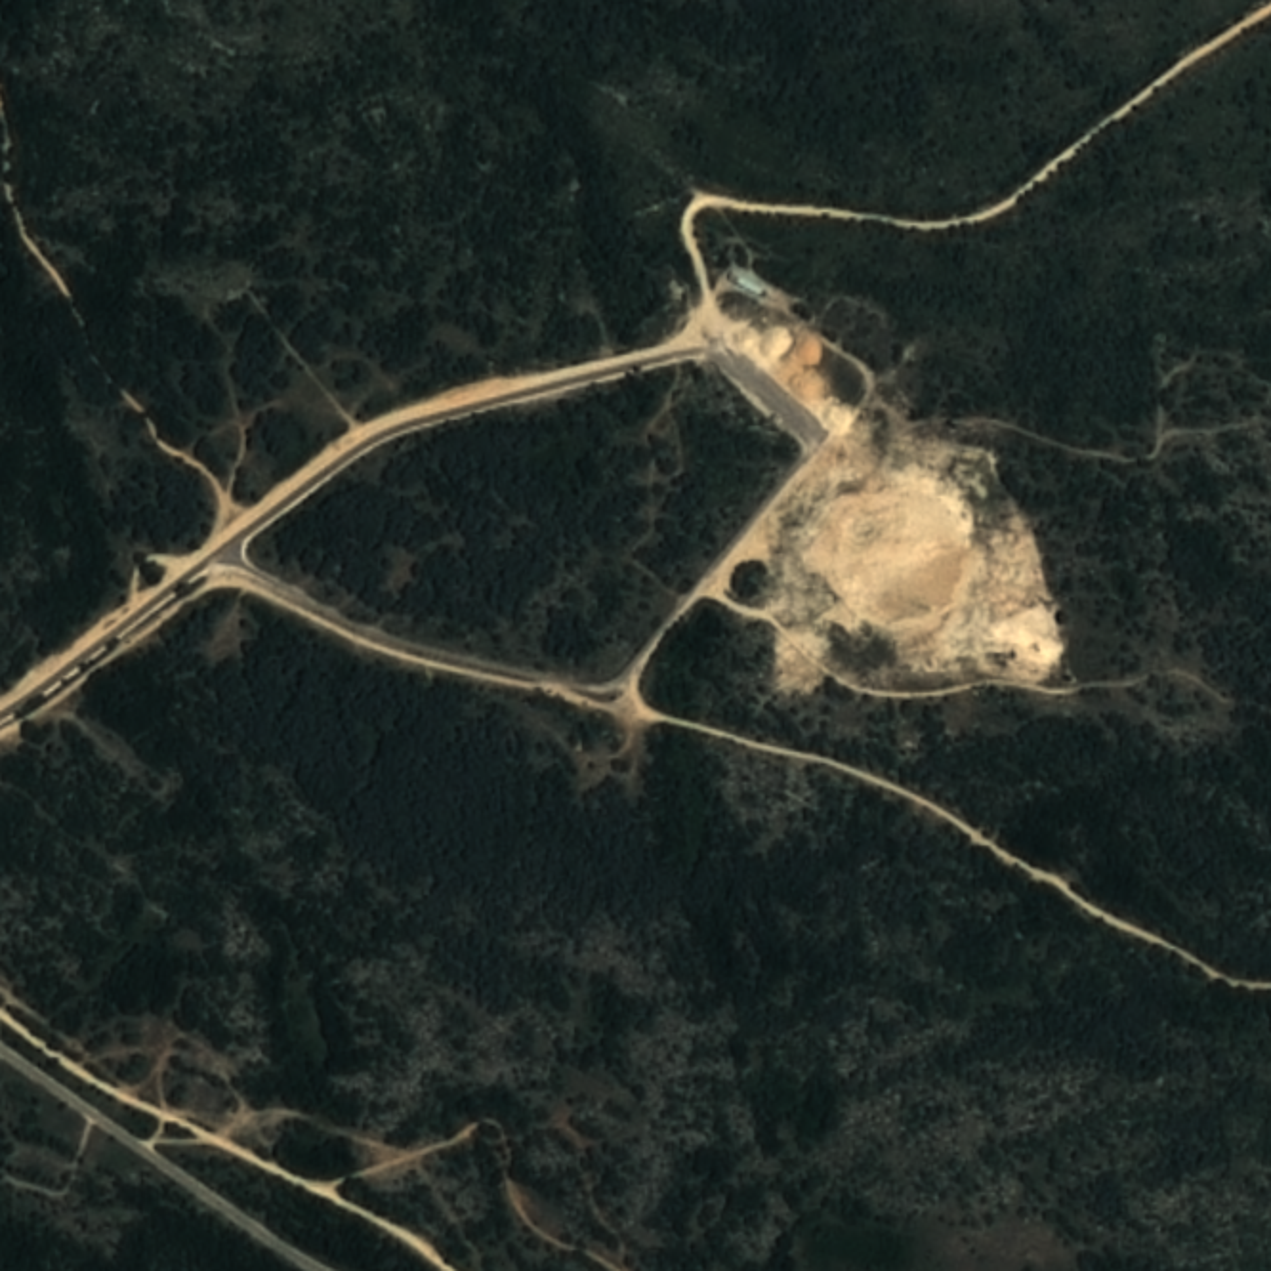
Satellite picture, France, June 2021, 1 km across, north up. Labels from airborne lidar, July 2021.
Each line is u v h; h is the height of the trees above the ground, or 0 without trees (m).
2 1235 7
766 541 0
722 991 7
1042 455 7
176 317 8
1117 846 6
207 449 10
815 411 0
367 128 7
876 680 0
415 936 6
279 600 0
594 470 7
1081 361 8
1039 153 6
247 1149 0
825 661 0
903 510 0
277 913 12
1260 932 8
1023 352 8
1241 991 6
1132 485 9
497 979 8
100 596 7
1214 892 10
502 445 14
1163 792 8
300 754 15
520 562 10
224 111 7
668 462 10
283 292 8
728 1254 6
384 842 12
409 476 11
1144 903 9
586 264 8
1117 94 8
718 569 0
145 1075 0
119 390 9
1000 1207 6
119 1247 9
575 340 13
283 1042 8
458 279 8
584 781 0
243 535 0
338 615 0
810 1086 8
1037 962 7
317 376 0
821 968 10
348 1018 6
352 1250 10
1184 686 0
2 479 8
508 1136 9
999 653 0
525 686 0
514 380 0
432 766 12
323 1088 6
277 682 15
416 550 8
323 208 7
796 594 0
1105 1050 6
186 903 7
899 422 0
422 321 8
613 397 7
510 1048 7
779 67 7
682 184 0
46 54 6
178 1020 7
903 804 6
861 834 8
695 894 11
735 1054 12
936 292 7
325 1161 9
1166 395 7
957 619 0
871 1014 6
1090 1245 7
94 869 7
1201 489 8
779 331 0
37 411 10
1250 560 7
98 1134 0
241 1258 8
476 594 9
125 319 8
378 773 10
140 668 7
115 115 7
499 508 10
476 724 11
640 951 6
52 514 8
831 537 0
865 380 0
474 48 6
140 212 7
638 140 0
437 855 8
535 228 6
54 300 6
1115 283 6
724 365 0
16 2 9
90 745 9
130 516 9
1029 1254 0
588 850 10
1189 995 6
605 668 0
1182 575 9
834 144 7
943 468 0
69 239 6
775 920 10
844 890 7
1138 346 7
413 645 0
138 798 7
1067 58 7
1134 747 9
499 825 12
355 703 11
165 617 0
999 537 0
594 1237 7
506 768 12
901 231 8
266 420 12
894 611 0
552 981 10
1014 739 6
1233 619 7
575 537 7
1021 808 6
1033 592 0
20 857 6
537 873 11
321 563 8
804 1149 6
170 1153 0
